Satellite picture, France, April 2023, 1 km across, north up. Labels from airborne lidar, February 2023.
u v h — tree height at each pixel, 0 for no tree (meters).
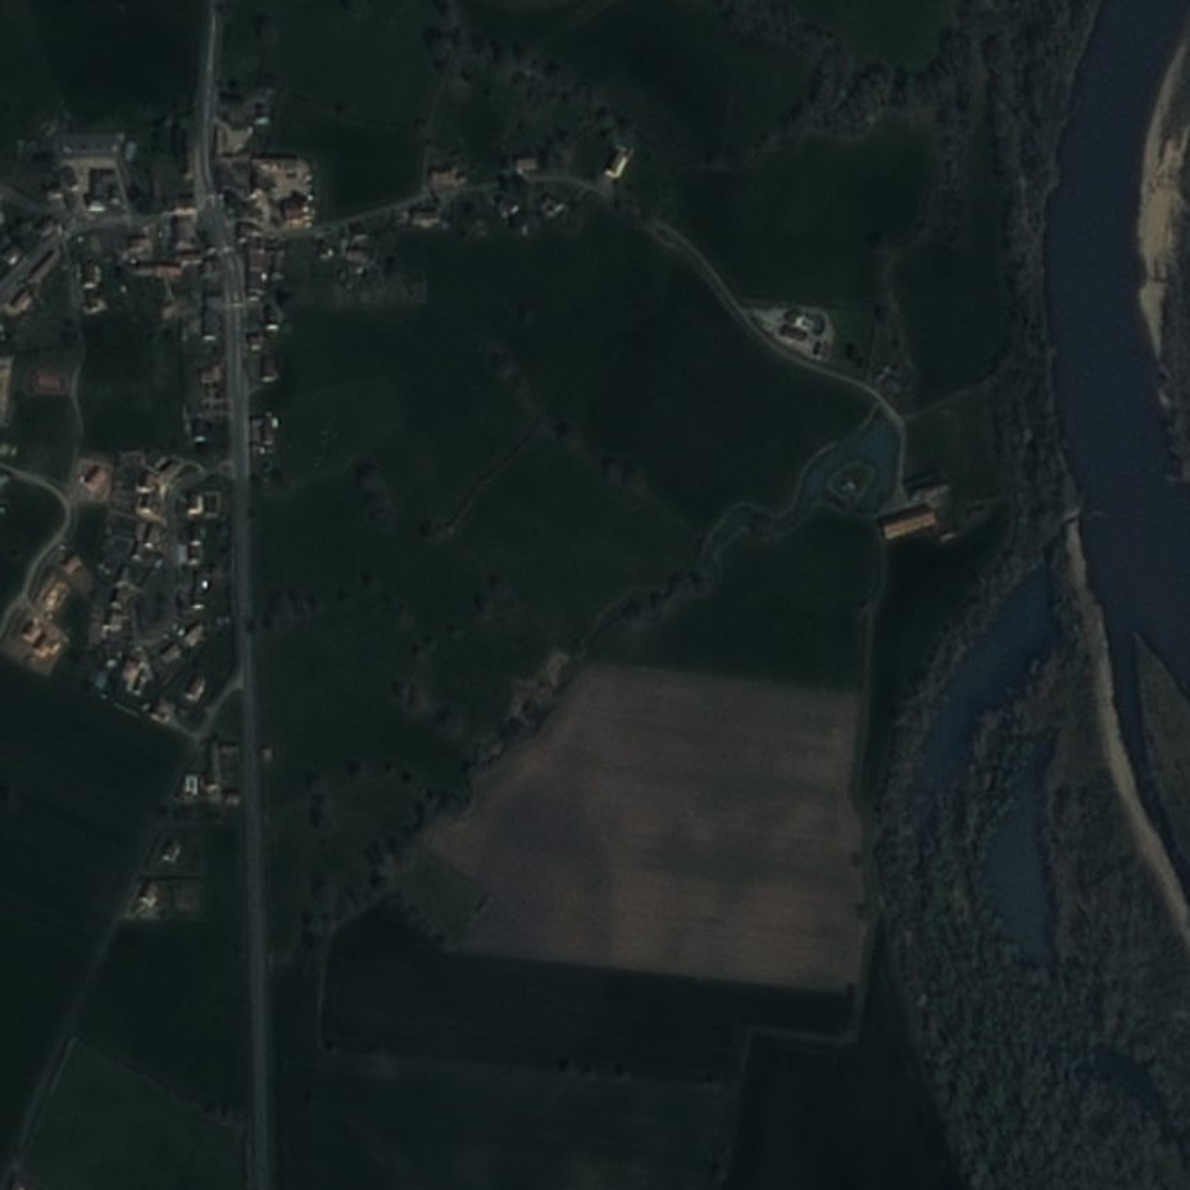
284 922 0
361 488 10
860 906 0
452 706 0
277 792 0
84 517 0
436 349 0
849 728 0
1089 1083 13
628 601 0
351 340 0
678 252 0
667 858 0
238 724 0
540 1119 0
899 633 0
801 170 0
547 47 0
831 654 0
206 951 0
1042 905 0
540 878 0
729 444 0
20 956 0
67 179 0
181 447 8
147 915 0
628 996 0
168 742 0
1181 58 0
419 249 0
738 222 0
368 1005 0
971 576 0
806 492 0
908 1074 0
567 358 0
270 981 0
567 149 16
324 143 0
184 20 0
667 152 0
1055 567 17
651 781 0
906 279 0
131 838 0
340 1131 0
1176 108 0
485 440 0
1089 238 0
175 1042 0
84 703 0
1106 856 9
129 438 0
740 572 0
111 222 0
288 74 0
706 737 0
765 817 0
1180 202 0
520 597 0
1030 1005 20
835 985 0
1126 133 0
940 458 0
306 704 0
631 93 0
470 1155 0
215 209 0
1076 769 0
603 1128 0
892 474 0
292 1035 0
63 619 0
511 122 0
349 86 0
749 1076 0
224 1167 0
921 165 0
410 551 0
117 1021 0
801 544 0
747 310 0
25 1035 0
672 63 0
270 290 6
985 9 26
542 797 0
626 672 0
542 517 0
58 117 0
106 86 0
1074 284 0
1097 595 0
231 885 0
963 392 0
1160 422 0
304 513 0
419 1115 0
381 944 0
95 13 0
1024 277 24
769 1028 0
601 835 0
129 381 0
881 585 0
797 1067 0
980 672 0
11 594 0
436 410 0
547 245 0
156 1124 0
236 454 0
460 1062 0
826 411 0
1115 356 0
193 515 0
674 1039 0
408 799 0
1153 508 0
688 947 0
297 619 15
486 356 0
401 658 0
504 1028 0
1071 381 0
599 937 0
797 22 18
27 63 0
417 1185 0
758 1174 0
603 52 0
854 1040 0
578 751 0
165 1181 0
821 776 0
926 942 19
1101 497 0
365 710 0
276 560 0
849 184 0
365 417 0
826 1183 0
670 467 0
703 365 0
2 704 0
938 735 0
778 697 0
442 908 0
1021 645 0
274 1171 0
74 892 0
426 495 0
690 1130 0
